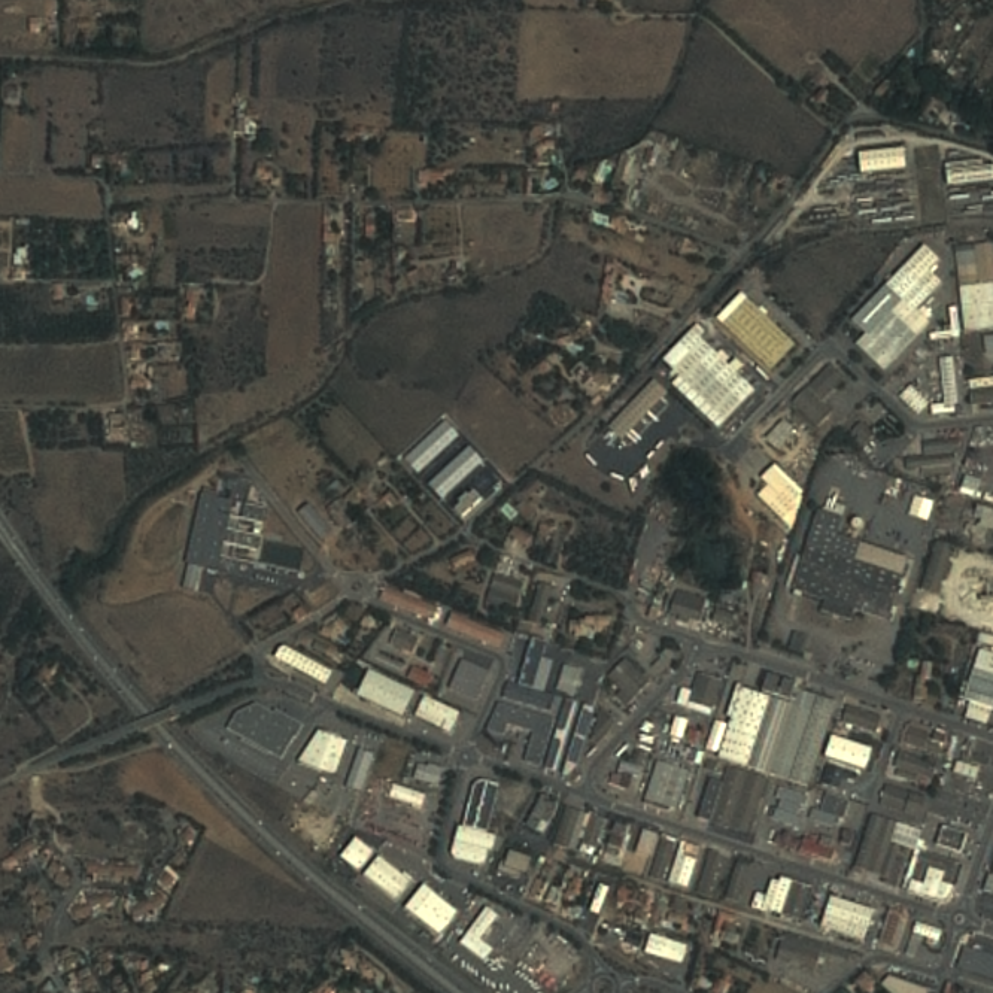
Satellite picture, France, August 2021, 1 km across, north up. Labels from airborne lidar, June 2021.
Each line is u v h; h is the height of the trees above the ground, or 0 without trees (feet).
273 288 0
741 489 0
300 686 0
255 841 0
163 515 0
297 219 0
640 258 0
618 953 0
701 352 0
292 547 0
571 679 0
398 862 0
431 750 22
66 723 0
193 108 0
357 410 0
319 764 0
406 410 0
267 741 0
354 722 23
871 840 0
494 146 0
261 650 0
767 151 0
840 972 0
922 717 0
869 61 0
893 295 0
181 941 0
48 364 0
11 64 27
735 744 0
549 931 20
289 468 0
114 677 0
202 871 0
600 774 0
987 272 0
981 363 0
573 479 0
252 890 0
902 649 49
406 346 0
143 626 0
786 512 0
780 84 40
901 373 0
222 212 0
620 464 0
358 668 0
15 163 0
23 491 0
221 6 0
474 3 20
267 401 0
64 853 0
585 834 0
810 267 0
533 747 0
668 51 0
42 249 19
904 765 0
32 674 23
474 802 0
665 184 0
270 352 0
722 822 0
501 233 0
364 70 0
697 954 31
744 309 0
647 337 35
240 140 30
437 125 28
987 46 0
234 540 0
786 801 0
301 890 0
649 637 0
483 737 0
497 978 0
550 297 30
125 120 0
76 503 0
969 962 0
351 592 0
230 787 0
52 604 0
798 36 0
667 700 0
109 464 0
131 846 0
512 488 22
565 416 0
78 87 0
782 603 0
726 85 0
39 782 0
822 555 0
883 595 0
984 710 0
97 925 0
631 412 0
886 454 0
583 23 0
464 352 0
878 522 0
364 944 31
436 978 0
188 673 0
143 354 27
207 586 0
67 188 0
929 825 0
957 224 0
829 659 0
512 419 0
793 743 0
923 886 0
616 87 0
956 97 54
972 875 0
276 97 0
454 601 25
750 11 0
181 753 0
